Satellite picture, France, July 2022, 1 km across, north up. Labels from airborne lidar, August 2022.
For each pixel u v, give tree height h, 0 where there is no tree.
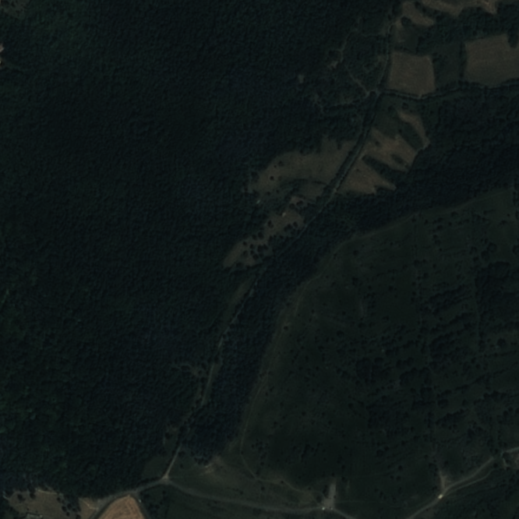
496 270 16
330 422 8
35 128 12
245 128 14
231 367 8
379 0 16
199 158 12
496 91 12
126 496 0
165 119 18
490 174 11
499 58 0
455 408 0
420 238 0
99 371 21
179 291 13
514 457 0
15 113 12
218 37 20
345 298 0
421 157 7
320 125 14
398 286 0
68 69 11
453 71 0
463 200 8
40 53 17
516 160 14
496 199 0
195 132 14
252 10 11
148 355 14
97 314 18
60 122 16
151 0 19
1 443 9
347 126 8
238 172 12
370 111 10
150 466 0
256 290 8
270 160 6
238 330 10
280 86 18
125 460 20
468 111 17
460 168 21
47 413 26
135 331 14
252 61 14
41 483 9
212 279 14
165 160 14
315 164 0
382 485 0
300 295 0
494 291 11
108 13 16
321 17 23
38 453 23
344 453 0
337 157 0
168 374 7
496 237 0
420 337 10
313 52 13
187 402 11
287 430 0
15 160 31
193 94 11
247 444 0
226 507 0
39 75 12
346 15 13
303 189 0
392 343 8
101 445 29
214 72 16
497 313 7
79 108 15
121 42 14
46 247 26
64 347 29
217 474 0
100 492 13
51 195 18
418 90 0
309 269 8
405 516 0
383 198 8
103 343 22
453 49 0
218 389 11
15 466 8
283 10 16
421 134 0
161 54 12
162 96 15
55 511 0
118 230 14
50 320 24
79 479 17
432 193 15
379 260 0
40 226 33
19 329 23
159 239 21
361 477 0
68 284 20
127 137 14
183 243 16
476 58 0
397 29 0
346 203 8
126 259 16
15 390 27
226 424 12
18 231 23
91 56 5
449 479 0
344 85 7
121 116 17
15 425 20
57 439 27
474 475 0
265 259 14
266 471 0
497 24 12
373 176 0
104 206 15
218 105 14
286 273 7
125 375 14
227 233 18
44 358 22
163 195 14
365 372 8
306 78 7
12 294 18
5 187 22
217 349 12
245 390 8
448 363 13
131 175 17
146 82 14
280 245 9
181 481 0
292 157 0
